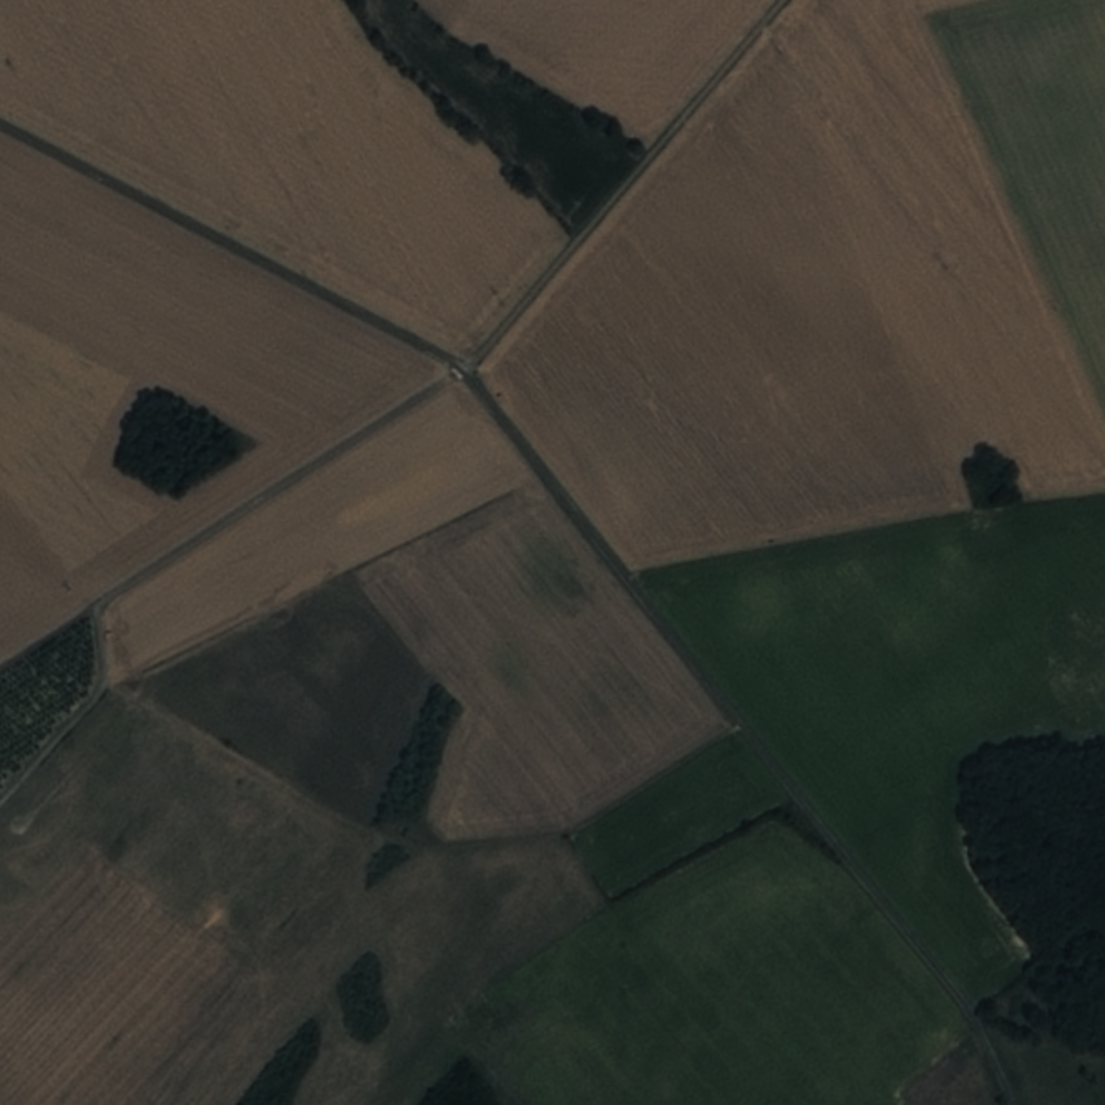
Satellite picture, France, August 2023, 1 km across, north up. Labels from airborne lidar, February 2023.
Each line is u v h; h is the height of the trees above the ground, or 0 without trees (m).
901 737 0
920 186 0
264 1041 0
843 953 0
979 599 0
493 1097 0
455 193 0
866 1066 0
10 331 0
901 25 0
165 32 0
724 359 0
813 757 0
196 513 0
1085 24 0
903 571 0
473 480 0
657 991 0
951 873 0
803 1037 0
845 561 0
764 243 0
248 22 0
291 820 0
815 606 0
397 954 0
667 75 0
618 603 0
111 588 0
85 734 0
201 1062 0
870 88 0
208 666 0
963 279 0
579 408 0
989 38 0
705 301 0
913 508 0
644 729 0
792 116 0
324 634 0
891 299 0
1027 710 0
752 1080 0
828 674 0
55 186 0
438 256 0
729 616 0
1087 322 0
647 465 0
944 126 0
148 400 17
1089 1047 16
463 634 0
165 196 0
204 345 0
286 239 0
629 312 0
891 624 0
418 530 0
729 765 0
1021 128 0
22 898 0
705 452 0
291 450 0
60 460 0
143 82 0
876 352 0
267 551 0
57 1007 0
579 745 0
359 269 0
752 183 0
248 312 0
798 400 0
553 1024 0
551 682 0
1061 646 0
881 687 0
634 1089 0
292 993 0
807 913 0
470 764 0
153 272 0
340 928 0
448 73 0
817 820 0
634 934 0
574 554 0
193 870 0
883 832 0
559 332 0
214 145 0
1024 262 0
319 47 0
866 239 0
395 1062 0
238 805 0
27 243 0
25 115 0
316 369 0
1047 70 0
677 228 0
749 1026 0
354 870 0
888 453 0
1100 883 27
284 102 0
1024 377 0
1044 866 23
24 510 0
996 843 20
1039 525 0
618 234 0
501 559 0
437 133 0
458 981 0
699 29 0
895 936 0
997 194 0
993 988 0
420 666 0
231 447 6
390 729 0
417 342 0
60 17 0
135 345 0
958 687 0
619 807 0
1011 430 0
